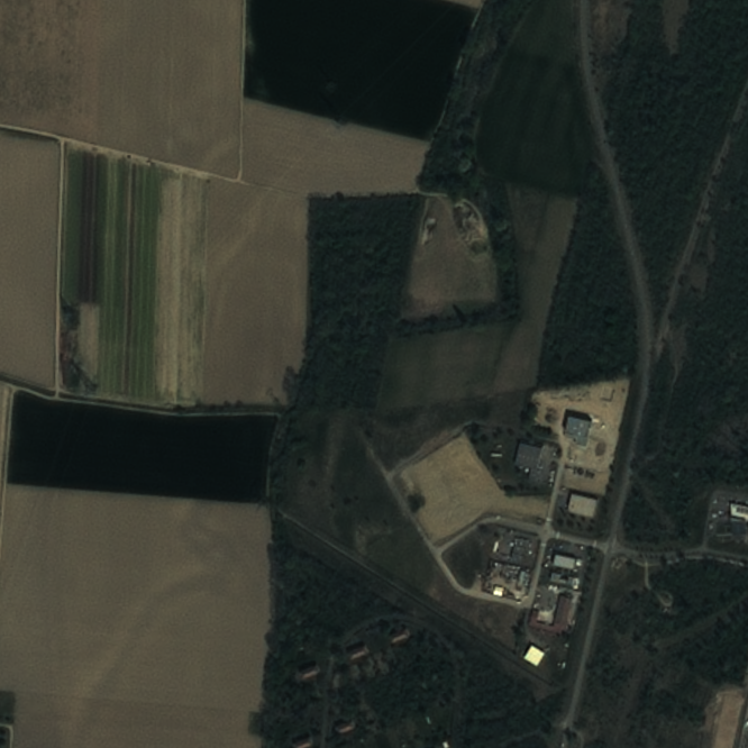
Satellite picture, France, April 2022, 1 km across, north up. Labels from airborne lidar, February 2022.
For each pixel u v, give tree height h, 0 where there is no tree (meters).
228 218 0
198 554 0
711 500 0
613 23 0
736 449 0
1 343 0
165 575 0
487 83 18
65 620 0
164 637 0
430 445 9
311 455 0
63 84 0
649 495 0
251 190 0
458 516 0
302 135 0
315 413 11
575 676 0
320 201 15
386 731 16
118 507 0
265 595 0
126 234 0
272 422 0
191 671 0
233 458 0
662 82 15
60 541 0
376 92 0
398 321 14
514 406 0
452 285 0
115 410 0
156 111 0
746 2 13
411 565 0
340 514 0
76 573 0
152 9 0
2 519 0
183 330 0
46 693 0
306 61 0
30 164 0
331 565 0
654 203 9
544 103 0
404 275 8
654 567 0
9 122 0
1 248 0
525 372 0
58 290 0
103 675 0
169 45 0
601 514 0
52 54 0
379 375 19
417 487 0
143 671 0
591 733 0
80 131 0
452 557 0
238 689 0
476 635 0
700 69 10
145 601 0
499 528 0
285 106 0
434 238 0
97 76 0
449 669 13
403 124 0
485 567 0
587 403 0
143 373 0
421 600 0
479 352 0
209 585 0
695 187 10
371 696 11
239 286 0
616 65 10
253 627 0
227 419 0
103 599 0
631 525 9
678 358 0
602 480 0
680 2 0
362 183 0
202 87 0
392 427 0
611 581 0
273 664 16
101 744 0
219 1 0
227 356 0
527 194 0
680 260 0
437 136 7
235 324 0
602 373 16
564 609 0
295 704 12
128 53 0
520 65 0
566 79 0
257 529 0
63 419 0
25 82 0
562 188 0
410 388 0
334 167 0
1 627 0
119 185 0
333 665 0
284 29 0
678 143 12
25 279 0
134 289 0
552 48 0
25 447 0
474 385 0
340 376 12
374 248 8
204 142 0
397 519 0
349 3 0
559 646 0
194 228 0
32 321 0
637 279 0
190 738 0
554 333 11
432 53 0
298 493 0
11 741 0
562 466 0
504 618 0
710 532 0
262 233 0
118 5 0
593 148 0
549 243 0
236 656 0
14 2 0
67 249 0
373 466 0
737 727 0
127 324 0
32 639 0
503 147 0
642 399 0
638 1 13
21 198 0
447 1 0
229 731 0
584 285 15
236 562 0
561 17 0
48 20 0
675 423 8
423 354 0
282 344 0
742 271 12
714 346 14
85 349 0
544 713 11
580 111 0
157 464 0
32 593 0
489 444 10
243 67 0
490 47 0
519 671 0
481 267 0
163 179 0
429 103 0
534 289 0
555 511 0
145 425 0
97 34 0
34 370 0
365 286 17
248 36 0
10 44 0
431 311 0
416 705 15
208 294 0
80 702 0
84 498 0
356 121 0
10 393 0
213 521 0
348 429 0
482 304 0
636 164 8
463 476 0
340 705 7
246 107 0
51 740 0
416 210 9
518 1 13
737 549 0
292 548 17
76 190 0
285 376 0
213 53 0
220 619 0
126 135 0
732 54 14
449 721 0
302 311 0
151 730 0
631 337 6
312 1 0
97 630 0
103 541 0
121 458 0
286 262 0
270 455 0
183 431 0
